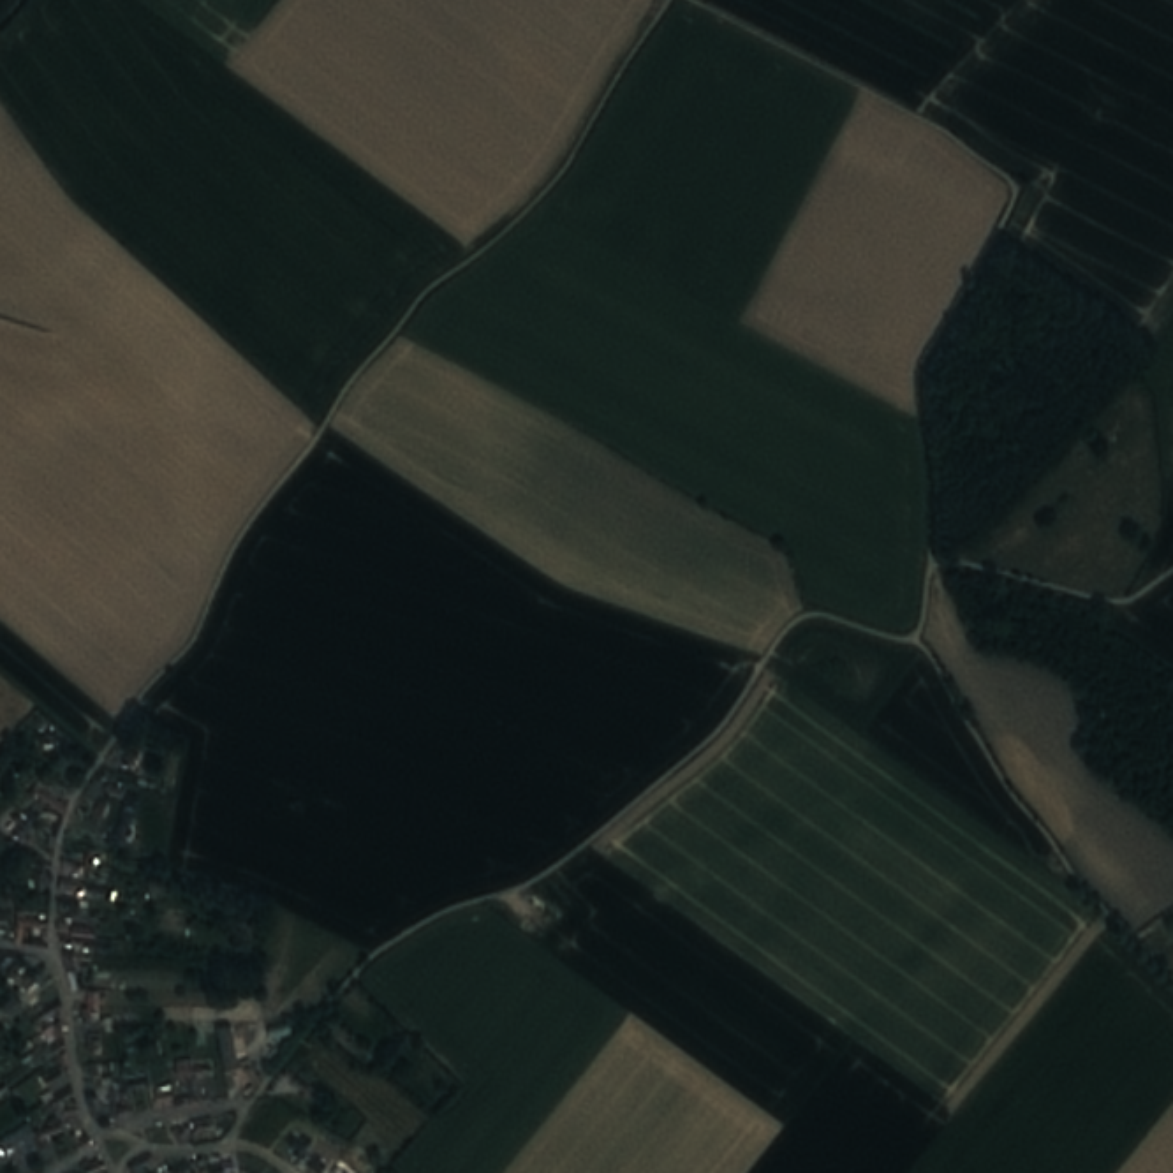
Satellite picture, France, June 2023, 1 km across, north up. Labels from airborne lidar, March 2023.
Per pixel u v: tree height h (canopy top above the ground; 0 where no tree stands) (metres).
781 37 0
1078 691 13
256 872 0
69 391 0
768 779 0
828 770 0
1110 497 0
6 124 0
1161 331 0
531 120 0
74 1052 0
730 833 0
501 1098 0
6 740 11
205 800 0
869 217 0
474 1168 0
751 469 0
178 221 0
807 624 0
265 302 0
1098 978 0
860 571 0
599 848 0
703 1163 0
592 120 0
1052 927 0
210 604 0
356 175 0
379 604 0
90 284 0
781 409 0
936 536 10
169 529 0
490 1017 0
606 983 0
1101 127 0
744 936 0
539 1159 0
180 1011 0
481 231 0
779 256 0
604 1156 0
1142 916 0
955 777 0
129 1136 0
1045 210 0
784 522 0
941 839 0
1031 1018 0
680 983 0
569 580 0
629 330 0
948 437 17
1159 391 0
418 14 0
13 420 0
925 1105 0
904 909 0
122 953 0
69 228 0
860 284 0
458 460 0
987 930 0
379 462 0
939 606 0
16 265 0
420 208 0
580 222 0
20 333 0
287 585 0
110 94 0
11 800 12
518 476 0
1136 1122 0
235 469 0
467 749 0
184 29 0
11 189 0
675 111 0
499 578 0
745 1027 0
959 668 0
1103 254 0
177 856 0
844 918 0
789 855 0
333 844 0
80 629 0
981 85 0
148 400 0
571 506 0
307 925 0
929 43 0
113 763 0
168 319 0
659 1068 0
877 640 0
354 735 0
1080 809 0
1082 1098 0
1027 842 0
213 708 0
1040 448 31
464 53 0
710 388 0
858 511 0
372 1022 0
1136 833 0
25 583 0
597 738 0
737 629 0
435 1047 0
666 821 0
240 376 0
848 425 0
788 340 0
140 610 0
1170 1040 0
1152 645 0
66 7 0
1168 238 0
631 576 0
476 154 0
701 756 0
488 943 0
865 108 0
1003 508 28
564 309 0
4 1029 9
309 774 0
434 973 0
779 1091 0
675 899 0
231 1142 0
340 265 0
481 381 0
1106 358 31
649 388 0
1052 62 0
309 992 0
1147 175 0
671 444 0
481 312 0
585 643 0
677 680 0
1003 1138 0
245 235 0
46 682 0
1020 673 0
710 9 0
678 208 0
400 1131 0
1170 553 0
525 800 0
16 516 0
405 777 0
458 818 0
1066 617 9
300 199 0
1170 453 0
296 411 0
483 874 0
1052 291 21
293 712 0
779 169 0
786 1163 0
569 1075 0
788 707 0
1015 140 0
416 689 0
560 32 0
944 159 0
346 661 0
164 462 0
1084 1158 0
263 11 0
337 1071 0
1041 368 28
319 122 0
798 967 0
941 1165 0
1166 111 0
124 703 0
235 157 0
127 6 0
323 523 0
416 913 0
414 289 0
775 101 0
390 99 0
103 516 0
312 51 0
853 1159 0
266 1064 8
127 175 0
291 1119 0
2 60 0
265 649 0
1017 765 0
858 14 0
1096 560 0
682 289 0
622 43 0
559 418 0
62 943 0
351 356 0
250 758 0
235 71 0
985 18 0
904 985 0
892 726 0
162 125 0
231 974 30
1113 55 0
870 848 0
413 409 0
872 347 0
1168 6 0
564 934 0
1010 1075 0
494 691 0
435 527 0
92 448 0
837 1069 0
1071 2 0
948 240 0
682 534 0
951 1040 0
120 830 0
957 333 21
